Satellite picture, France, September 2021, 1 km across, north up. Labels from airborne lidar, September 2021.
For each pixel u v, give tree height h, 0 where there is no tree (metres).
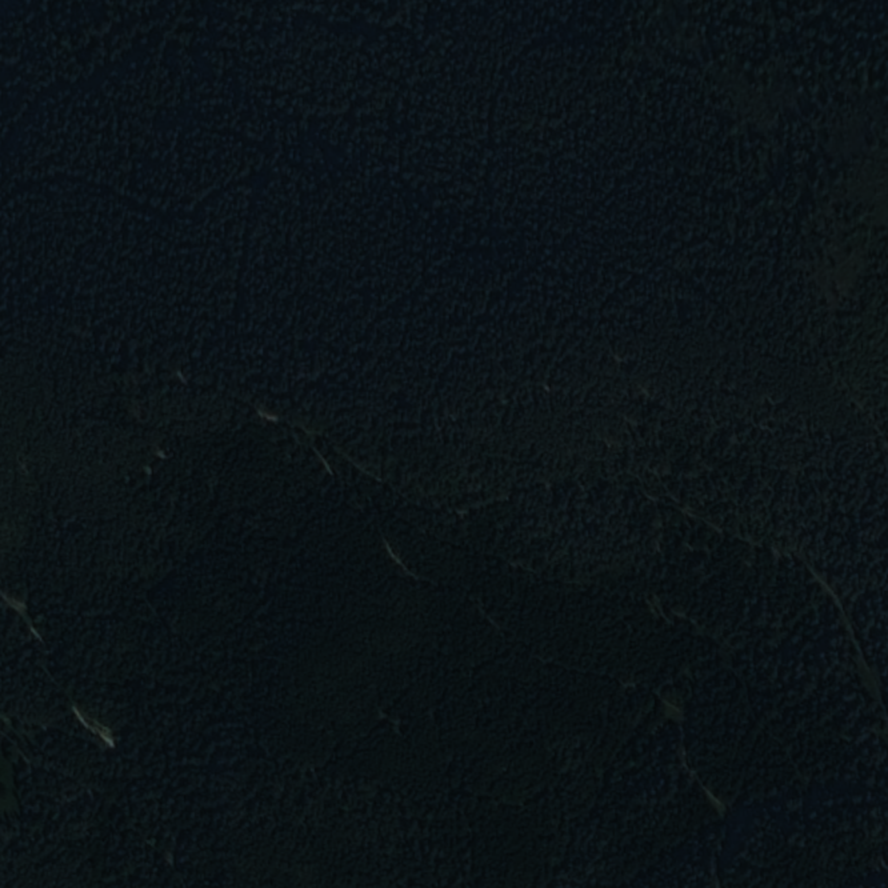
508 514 10
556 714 26
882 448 14
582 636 13
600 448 20
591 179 19
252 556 21
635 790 16
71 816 20
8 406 14
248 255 20
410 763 17
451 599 20
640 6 12
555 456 24
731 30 10
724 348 18
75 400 22
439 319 26
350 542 20
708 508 13
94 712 26
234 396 22
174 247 28
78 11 15
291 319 30
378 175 27
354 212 22
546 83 22
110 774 27
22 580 19
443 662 19
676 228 21
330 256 19
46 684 26
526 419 20
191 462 18
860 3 9
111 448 17
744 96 0
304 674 15
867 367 11
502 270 23
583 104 15
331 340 24
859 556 27
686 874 26
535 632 13
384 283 24
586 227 23
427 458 20
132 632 16
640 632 9
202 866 32
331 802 17
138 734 28
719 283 15
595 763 23
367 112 24
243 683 25
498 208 25
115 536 19
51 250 26
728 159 10
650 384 21
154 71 24
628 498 10
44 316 25
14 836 24
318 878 19
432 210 37
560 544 22
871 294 8
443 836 16
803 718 13
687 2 17
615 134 24
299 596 22
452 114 23
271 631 24
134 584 19
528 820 13
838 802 9
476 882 9
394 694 18
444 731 20
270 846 23
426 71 26
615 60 10
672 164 14
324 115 27
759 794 22
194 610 18
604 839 13
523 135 17
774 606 10
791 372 12
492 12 27
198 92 32
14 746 16
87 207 23
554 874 18
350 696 15
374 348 23
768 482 14
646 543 25
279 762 27
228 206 24
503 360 21
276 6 24
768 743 15
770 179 0
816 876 18
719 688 24
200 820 28
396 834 24
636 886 24
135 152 17
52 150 20
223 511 21
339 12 9
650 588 17
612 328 24
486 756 17
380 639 18
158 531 25
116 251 26
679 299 22
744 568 12
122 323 30
